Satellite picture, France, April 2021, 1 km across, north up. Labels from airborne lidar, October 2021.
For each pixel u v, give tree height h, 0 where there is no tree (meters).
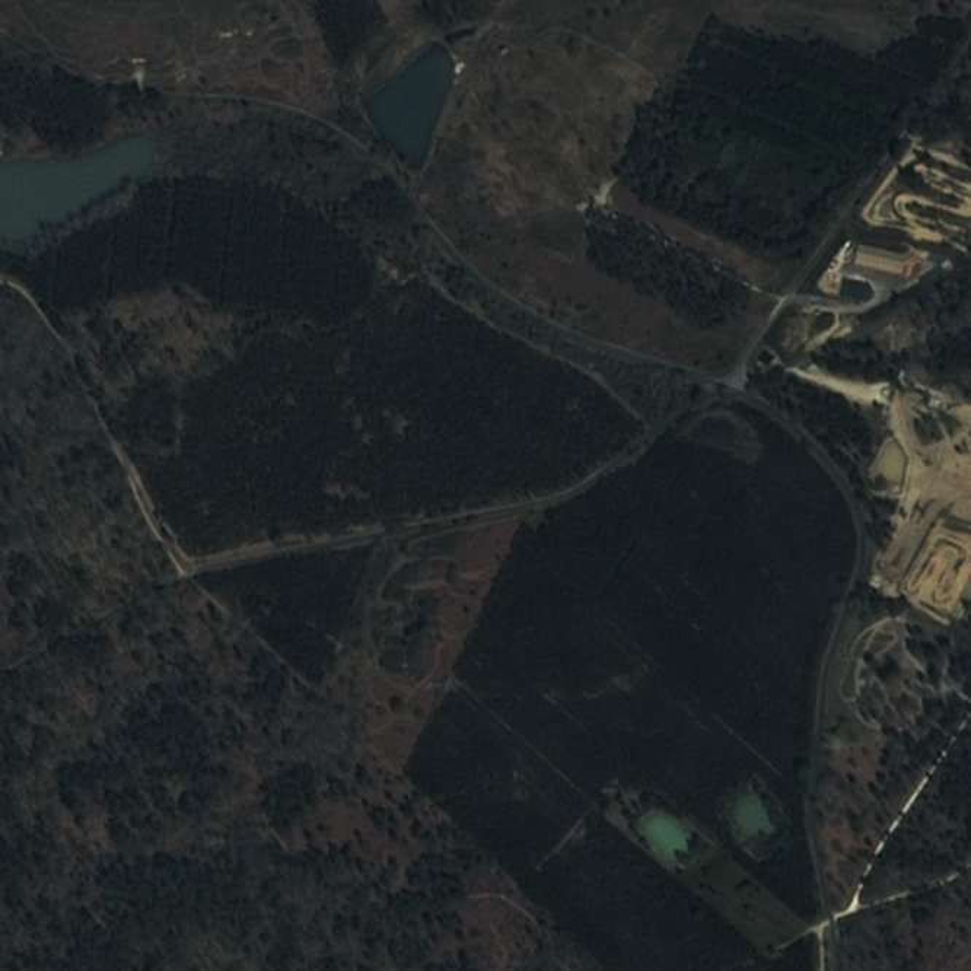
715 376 0
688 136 17
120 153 0
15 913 23
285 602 9
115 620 9
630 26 0
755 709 8
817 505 7
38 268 15
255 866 17
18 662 10
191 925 23
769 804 17
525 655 9
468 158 11
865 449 13
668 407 14
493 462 8
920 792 7
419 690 0
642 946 6
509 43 0
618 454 7
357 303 13
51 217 0
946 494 0
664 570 8
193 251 15
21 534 18
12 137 15
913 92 10
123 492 7
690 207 15
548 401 11
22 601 24
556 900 7
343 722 19
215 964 16
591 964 11
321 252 15
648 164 16
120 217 9
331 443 10
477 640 8
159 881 21
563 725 7
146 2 0
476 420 10
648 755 9
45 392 13
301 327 10
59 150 19
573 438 9
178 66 0
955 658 9
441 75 0
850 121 9
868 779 0
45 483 15
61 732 14
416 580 6
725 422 0
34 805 15
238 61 0
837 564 7
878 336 0
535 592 9
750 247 17
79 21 0
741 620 8
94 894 7
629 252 17
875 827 9
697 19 0
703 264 21
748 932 0
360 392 8
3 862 24
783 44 7
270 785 11
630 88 0
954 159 0
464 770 8
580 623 9
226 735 15
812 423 16
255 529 7
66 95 18
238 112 17
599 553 9
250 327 11
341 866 26
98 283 15
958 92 14
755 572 10
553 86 0
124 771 23
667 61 0
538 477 8
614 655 8
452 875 23
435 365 8
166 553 14
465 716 7
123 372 18
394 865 13
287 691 13
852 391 0
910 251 0
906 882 12
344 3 9
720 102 9
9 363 18
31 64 18
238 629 19
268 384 8
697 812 7
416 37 0
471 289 9
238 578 7
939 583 0
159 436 14
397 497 10
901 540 0
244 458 10
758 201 10
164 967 18
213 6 0
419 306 7
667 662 9
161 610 21
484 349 11
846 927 7
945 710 18
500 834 10
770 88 7
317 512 11
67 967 12
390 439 10
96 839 0
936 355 19
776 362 0
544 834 8
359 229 26
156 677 16
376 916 7
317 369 9
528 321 8
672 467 10
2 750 19
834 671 0
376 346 9
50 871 17
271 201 15
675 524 9
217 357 15
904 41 9
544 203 0
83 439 13
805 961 7
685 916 10
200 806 20
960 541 0
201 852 10
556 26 0
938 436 15
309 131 15
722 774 9
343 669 14
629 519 10
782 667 7
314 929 10
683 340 0
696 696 9
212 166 6
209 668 14
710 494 9
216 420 9
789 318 0
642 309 0
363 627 9
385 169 0
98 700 6
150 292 12
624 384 7
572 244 0
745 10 0
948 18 16
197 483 8
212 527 8
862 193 14
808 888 8
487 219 0
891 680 15
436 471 9
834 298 0
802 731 8
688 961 8
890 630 0
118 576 18
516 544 9
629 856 7
